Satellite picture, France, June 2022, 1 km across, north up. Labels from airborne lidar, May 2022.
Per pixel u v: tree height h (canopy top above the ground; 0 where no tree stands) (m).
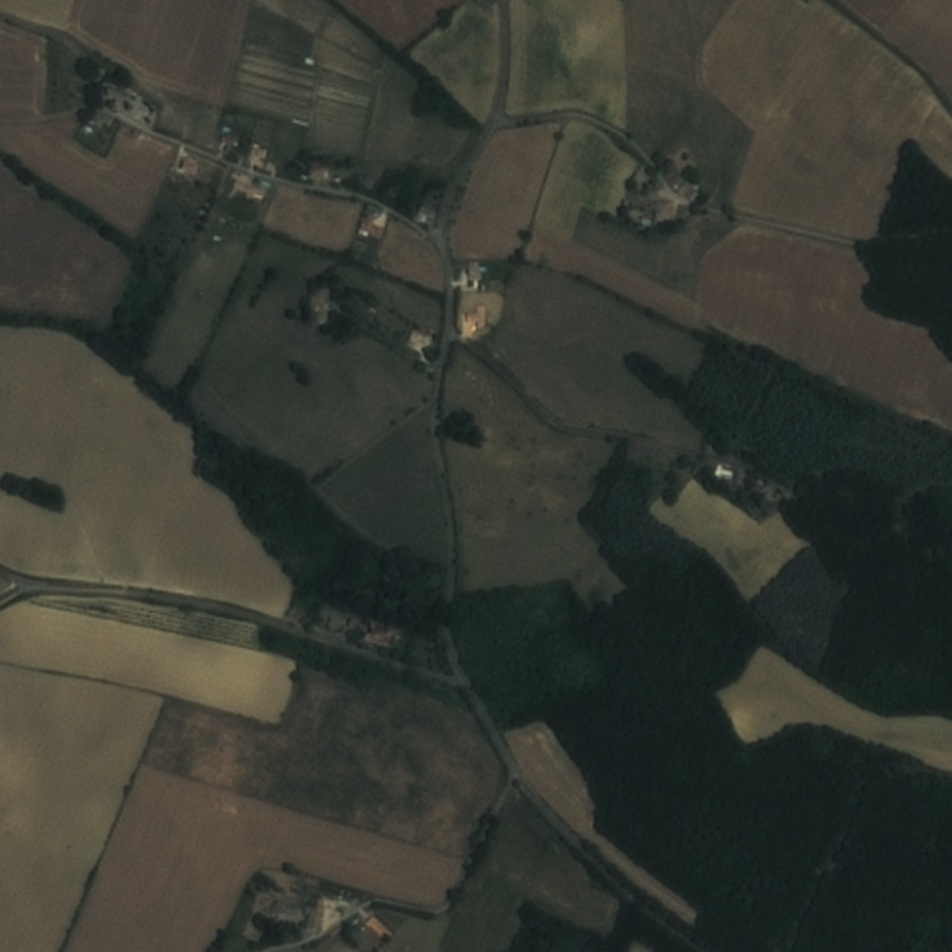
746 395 6
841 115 0
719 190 0
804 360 0
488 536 0
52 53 0
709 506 0
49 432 0
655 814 18
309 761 0
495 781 0
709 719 17
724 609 8
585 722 21
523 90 0
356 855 0
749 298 0
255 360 0
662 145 0
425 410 0
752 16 0
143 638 0
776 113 0
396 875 0
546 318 0
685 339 0
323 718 0
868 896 18
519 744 0
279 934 9
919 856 17
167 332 0
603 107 0
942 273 11
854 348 0
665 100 0
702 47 0
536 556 0
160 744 0
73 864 0
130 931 0
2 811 0
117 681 0
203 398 0
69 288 0
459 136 0
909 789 16
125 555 0
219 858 0
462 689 11
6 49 0
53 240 0
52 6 0
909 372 0
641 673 25
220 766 0
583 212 0
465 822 0
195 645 0
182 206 0
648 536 11
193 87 0
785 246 0
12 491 15
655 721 23
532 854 0
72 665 0
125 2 0
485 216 0
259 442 0
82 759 0
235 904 0
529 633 7
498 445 0
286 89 0
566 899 0
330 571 7
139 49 0
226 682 0
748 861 18
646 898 12
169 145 0
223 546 0
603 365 0
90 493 0
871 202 0
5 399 0
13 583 0
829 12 0
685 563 11
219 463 7
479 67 0
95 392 0
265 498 11
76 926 0
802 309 0
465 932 0
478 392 0
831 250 0
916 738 0
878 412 9
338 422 0
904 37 0
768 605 12
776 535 0
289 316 13
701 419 16
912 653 13
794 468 9
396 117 0
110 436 0
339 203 0
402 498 0
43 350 0
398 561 25
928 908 16
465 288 0
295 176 6
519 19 0
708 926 15
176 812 0
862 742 19
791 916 11
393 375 0
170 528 0
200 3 0
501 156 0
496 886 0
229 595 0
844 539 13
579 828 0
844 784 19
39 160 0
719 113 0
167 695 0
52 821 0
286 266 0
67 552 0
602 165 0
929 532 16
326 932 0
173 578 0
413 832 0
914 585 6
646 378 19
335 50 0
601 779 17
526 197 0
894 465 10
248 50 0
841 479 15
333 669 8
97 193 0
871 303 15
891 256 15
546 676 8
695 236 0
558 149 0
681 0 0
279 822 0
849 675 14
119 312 13
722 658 15
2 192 0
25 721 0
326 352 0
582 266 0
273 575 0
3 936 0
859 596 15
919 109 0
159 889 0
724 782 18
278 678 0
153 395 22
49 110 0
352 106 0
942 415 0
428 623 16
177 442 0
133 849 0
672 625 8
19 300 0
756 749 12
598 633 19
